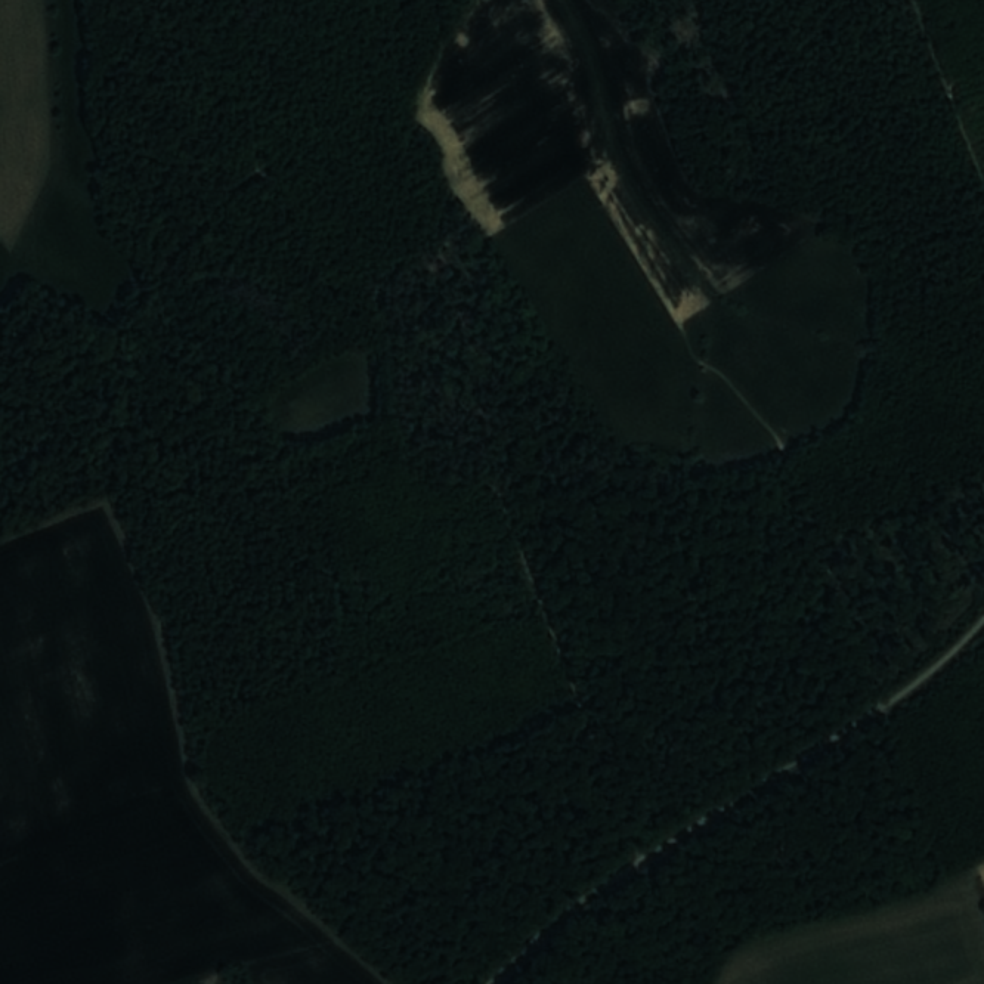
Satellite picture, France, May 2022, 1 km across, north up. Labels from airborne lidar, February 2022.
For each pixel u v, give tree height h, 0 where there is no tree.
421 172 19
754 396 0
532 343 27
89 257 0
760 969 0
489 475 20
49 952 0
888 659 27
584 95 0
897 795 28
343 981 0
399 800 27
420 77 16
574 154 0
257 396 25
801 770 27
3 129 0
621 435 0
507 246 0
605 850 28
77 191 0
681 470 7
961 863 10
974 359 19
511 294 22
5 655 0
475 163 0
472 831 26
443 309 28
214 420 25
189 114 26
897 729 12
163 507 28
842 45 26
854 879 27
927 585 31
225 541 25
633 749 29
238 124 19
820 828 29
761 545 23
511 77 0
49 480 29
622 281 0
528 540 25
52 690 0
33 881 0
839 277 0
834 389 0
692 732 27
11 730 0
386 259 16
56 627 0
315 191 18
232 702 20
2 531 23
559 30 0
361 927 23
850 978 0
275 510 27
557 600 21
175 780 0
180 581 24
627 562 28
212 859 0
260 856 20
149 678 0
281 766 12
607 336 0
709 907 25
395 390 24
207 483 27
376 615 20
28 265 0
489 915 27
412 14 18
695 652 27
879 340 15
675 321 0
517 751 27
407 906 26
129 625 0
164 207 26
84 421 31
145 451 31
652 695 30
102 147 19
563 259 0
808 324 0
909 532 27
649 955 28
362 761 11
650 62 0
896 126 20
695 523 28
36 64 0
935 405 15
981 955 0
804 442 9
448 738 11
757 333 0
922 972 0
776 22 24
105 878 0
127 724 0
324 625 20
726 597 25
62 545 0
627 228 0
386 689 11
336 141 18
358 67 17
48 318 30
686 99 16
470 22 0
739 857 24
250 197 20
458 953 28
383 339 20
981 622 0
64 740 0
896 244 13
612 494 27
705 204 0
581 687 22
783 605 24
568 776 29
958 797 11
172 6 23
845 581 28
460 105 0
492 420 27
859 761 29
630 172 0
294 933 0
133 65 26
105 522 0
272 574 25
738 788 24
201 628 21
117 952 0
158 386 28
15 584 0
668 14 18
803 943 0
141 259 21
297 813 21
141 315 27
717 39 22
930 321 18
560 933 25
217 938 0
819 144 26
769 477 23
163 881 0
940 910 0
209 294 26
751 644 25
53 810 0
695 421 0
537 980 29
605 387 0
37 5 0
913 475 17
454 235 27
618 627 29
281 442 23
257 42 20
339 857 23
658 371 0
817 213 9
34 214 0
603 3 0
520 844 27
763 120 21
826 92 24
